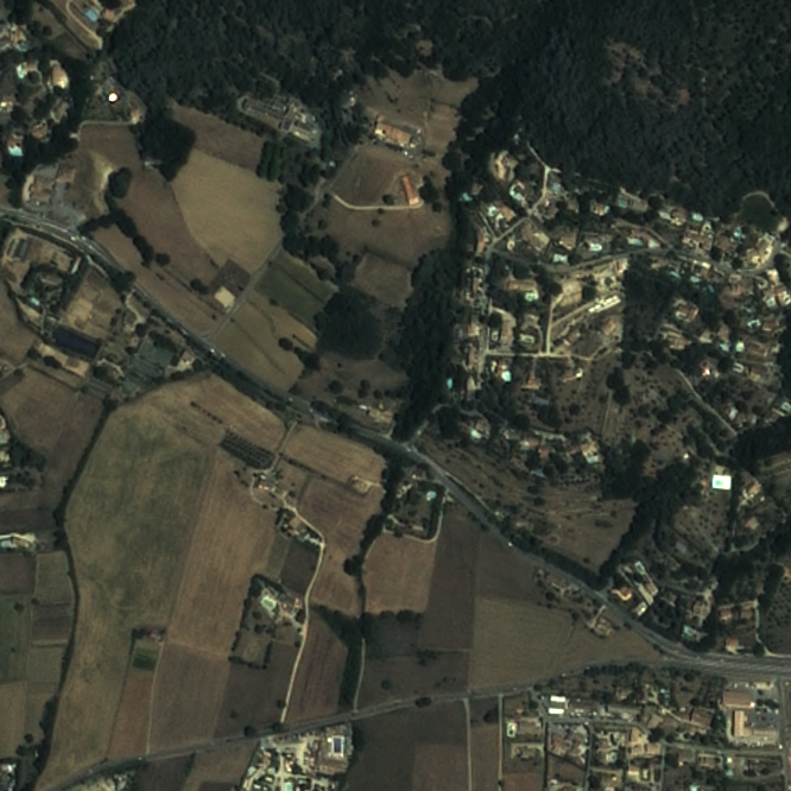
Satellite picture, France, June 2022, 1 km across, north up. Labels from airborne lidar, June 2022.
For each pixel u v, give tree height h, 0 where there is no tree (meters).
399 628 0
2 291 0
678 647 0
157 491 0
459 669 0
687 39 19
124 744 0
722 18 16
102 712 0
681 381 6
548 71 12
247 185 0
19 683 0
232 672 0
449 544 0
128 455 0
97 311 0
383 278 0
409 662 0
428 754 0
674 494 17
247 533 0
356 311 11
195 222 0
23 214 0
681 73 21
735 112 19
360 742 16
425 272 21
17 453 16
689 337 11
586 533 0
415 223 0
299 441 0
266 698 0
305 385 0
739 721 0
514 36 10
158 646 0
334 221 0
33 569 0
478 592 0
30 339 0
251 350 0
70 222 0
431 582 0
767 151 24
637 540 15
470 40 21
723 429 7
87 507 0
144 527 0
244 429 0
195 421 0
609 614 0
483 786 0
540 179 11
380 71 12
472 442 6
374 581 0
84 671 0
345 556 0
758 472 15
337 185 0
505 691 0
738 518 12
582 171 12
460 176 19
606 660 0
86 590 0
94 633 0
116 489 0
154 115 12
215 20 18
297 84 15
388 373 0
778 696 0
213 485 0
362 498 0
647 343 9
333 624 7
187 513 0
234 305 0
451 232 0
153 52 8
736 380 13
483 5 19
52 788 0
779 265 11
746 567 17
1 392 0
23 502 0
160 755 0
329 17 18
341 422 13
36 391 0
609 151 22
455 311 26
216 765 0
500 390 18
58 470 0
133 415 0
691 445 12
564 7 16
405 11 18
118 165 0
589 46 8
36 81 20
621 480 12
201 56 17
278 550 0
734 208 15
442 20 16
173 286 0
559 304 0
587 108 13
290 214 11
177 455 0
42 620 0
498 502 8
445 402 16
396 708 0
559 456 6
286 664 0
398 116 0
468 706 0
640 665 11
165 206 0
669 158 19
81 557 0
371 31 21
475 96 15
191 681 0
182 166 10
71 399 0
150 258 13
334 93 16
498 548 0
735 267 11
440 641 0
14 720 0
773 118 12
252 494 0
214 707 0
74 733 0
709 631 16
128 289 10
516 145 14
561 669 0
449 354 22
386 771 0
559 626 0
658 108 22
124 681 0
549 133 18
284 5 21
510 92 18
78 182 0
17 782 6
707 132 23
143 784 0
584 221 8
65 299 11
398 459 9
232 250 0
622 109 20
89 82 16
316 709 0
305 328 0
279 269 0
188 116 0
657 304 8
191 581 0
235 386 5
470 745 0
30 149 16
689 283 6
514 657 0
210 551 0
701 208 16
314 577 0
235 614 0
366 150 0
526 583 0
